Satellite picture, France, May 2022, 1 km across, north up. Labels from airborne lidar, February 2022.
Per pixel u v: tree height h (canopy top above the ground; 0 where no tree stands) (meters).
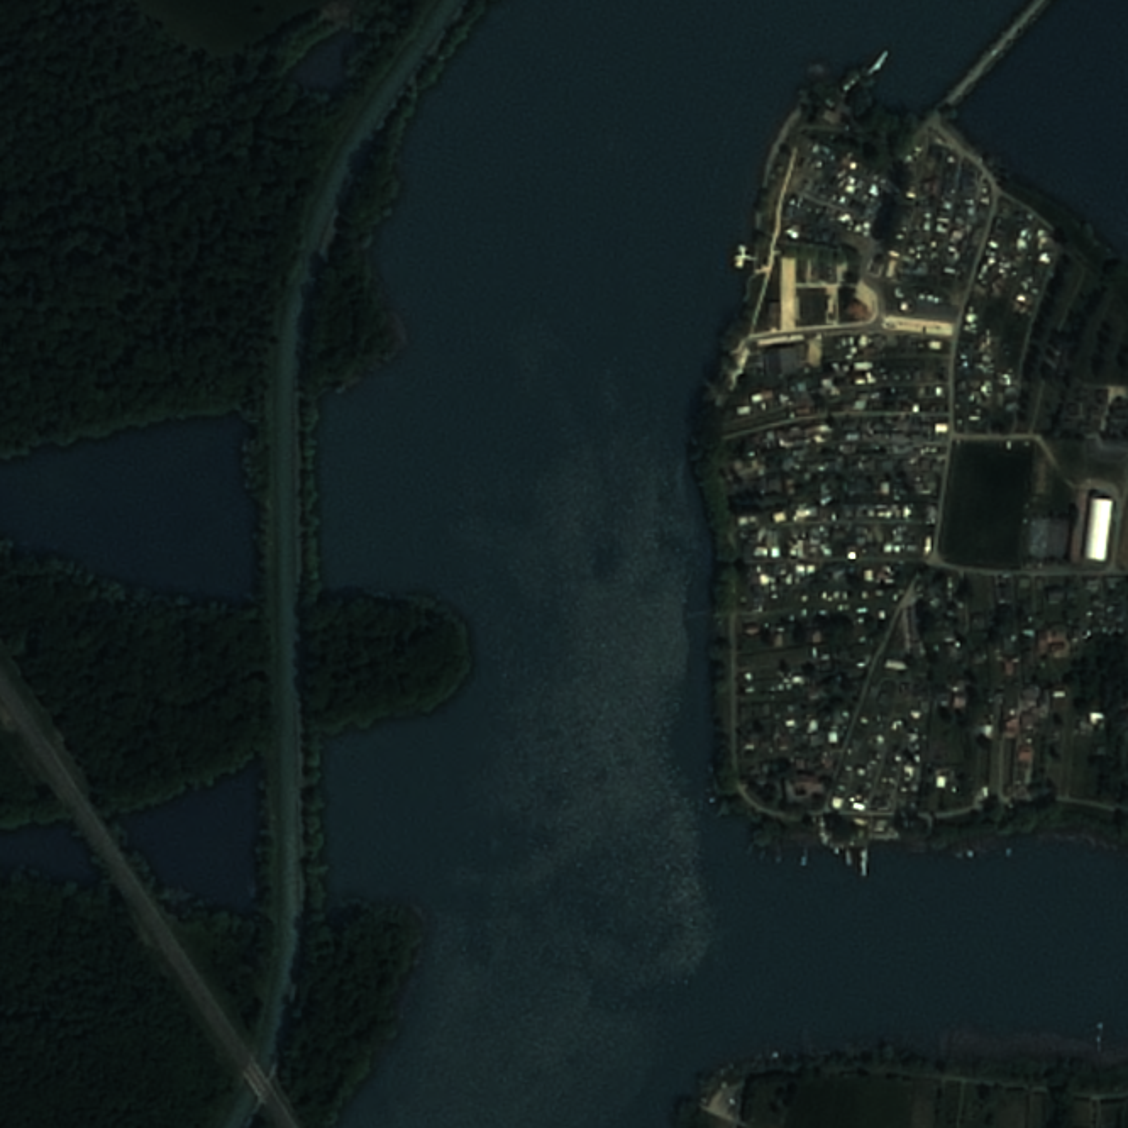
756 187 0
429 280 0
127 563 0
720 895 0
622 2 0
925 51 0
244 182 27
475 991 0
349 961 29
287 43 19
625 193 0
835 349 0
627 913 0
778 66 0
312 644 19
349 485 0
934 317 0
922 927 0
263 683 25
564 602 0
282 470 0
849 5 0
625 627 0
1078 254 0
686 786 0
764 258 0
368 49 14
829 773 0
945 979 0
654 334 0
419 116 0
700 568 0
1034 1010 0
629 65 0
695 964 0
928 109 7
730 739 14
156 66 27
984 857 0
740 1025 0
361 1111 0
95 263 30
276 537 0
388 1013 13
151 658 31
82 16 30
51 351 29
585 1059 0
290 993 0
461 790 0
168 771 24
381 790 0
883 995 0
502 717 0
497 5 0
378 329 15
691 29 0
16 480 0
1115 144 0
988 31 0
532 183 0
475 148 0
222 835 0
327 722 19
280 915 0
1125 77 0
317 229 0
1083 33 0
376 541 0
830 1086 0
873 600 0
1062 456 0
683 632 0
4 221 28
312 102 16
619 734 0
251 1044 0
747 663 0
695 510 0
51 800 21
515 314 0
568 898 0
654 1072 0
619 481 0
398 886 0
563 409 0
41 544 0
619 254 0
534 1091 0
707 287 0
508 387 0
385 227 0
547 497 0
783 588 0
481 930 0
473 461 0
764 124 0
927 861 0
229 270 32
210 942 0
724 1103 0
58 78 29
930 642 10
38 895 23
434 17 0
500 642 0
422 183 0
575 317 0
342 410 0
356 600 21
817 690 0
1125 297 0
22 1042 23
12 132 24
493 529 0
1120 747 7
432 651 25
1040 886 0
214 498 0
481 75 0
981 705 6
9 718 0
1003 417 0
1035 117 0
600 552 0
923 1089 0
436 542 0
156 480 0
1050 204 0
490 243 0
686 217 0
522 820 0
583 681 0
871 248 0
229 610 19
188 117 32
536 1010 0
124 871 0
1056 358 13
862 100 17
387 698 22
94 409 18
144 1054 19
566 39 0
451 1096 0
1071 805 0
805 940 0
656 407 0
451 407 0
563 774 0
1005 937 0
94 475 0
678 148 0
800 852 0
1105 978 0
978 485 0
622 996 0
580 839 0
